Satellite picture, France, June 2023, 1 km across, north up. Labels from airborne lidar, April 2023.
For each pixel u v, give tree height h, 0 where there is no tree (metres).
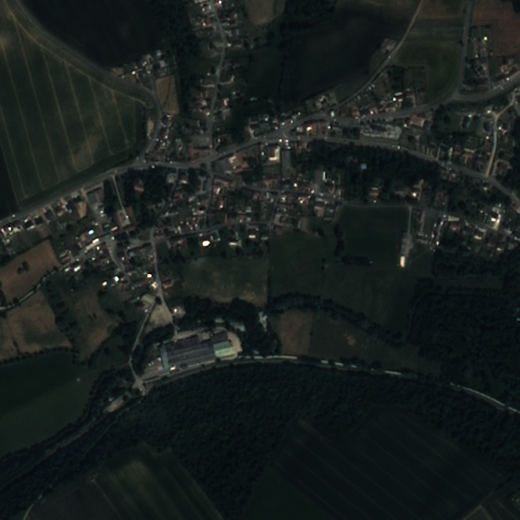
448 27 0
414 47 0
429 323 21
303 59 0
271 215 0
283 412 13
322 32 0
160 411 0
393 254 0
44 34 0
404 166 22
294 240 0
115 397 8
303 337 0
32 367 0
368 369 7
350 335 0
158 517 0
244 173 12
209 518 0
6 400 0
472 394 0
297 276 0
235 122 0
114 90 0
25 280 0
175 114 0
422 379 18
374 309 0
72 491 0
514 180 7
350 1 0
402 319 0
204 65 0
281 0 0
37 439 0
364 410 17
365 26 0
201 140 0
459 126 0
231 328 11
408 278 0
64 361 0
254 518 0
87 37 0
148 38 0
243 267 0
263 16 0
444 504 0
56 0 0
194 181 17
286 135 0
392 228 0
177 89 0
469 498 0
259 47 7
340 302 0
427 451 0
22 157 0
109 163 0
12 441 0
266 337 15
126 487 0
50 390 0
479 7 0
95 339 0
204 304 18
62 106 0
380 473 0
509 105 0
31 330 0
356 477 0
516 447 20
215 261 0
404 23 0
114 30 0
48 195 0
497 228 0
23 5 0
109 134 0
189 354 0
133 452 0
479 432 25
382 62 0
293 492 0
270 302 7
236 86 0
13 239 0
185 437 8
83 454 10
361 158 16
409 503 0
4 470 28
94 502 0
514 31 0
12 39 0
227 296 0
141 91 0
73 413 0
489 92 0
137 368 17
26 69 0
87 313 0
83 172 0
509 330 21
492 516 0
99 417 12
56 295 14
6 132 0
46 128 0
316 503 0
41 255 0
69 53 0
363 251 0
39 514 0
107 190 9
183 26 7
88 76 0
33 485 13
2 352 0
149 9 0
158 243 0
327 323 0
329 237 0
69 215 0
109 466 0
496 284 0
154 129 0
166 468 0
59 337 0
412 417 0
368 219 0
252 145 0
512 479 6
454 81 0
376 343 0
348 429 16
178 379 0
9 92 0
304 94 0
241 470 7
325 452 0
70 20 0
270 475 0
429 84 0
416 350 0
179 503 0
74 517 0
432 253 0
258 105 0
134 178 23
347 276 0
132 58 0
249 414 10
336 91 0
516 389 19
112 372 7
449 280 0
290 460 0
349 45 0
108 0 0
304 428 0
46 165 0
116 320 0
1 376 0
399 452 0
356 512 0
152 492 0
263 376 7
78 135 0
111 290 0
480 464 0
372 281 0
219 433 14
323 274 0
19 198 0
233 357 0
